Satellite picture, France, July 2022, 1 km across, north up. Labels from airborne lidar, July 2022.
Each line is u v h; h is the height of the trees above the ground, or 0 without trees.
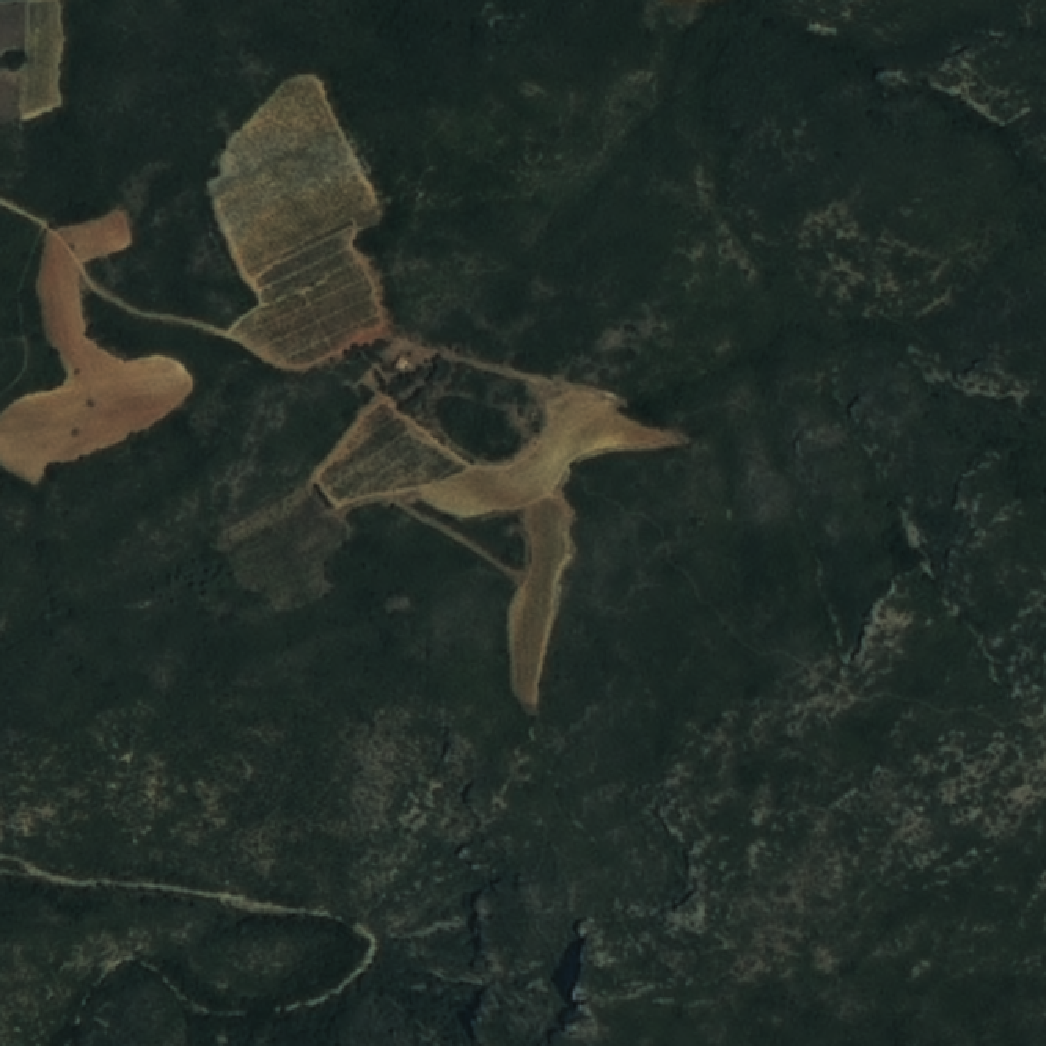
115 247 0
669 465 0
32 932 0
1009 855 0
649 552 0
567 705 0
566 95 0
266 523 0
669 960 0
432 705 0
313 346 0
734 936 0
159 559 0
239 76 0
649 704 0
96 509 0
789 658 0
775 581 0
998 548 0
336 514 0
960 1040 0
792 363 0
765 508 0
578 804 0
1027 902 0
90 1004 9
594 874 0
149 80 0
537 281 0
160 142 0
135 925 0
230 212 0
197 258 0
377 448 0
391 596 6
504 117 0
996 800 0
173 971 6
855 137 0
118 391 0
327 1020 7
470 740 0
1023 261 0
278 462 0
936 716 0
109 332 5
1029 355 0
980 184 0
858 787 0
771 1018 0
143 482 0
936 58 0
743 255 0
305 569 0
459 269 0
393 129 0
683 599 0
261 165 0
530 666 0
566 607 0
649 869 0
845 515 0
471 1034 8
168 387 0
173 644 0
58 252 0
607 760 0
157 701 0
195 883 7
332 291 0
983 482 0
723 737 0
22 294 6
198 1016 9
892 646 0
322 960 6
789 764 0
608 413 0
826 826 0
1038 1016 0
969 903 0
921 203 0
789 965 0
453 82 0
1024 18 0
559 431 0
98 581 0
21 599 0
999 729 0
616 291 0
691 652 0
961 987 0
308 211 0
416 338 0
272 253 0
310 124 0
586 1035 0
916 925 0
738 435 0
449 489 0
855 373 0
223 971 0
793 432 0
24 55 8
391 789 6
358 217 0
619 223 0
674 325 0
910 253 0
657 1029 0
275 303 0
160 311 0
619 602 0
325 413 0
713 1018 0
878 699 0
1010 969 0
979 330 0
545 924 0
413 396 8
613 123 0
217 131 0
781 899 0
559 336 0
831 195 0
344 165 0
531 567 0
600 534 0
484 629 0
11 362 0
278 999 7
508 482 0
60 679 0
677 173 0
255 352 0
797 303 0
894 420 0
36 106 0
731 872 0
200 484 0
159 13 0
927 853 0
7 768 0
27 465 0
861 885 0
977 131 7
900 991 0
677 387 6
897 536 7
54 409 0
